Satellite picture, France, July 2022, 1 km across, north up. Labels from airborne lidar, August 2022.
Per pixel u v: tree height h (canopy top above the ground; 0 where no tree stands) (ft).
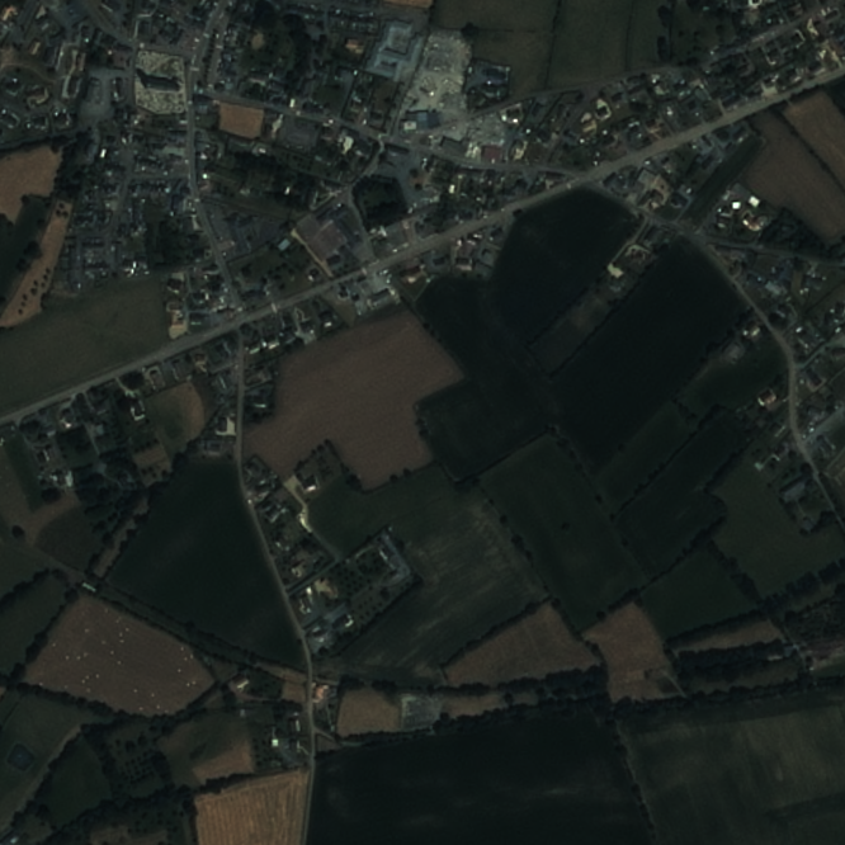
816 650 0
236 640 0
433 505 0
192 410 0
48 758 0
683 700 33
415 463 0
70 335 0
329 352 0
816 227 0
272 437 0
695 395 0
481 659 0
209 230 0
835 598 20
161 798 60
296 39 37
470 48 0
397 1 0
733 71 52
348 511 0
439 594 0
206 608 0
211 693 26
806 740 0
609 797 0
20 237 0
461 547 0
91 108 0
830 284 0
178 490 0
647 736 0
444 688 25
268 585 0
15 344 0
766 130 0
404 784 0
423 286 0
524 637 0
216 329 0
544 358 0
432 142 0
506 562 0
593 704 44
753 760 0
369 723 0
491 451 0
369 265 0
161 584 0
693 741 0
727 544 0
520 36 0
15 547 0
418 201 0
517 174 0
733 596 0
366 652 0
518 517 0
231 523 0
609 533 0
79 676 0
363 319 0
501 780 0
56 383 0
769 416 36
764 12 23
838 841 0
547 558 0
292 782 0
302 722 0
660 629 0
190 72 0
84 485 41
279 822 0
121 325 0
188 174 0
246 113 0
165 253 34
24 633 0
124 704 0
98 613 0
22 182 0
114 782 25
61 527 0
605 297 0
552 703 40
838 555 0
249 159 44
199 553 0
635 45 0
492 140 0
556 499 0
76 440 21
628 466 0
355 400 0
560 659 0
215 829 0
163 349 0
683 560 27
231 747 0
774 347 0
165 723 24
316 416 0
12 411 0
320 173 0
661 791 0
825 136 0
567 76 0
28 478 0
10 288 0
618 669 0
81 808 0
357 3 0
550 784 0
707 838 0
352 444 0
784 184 0
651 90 21
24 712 0
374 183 32
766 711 0
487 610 0
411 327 0
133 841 0
